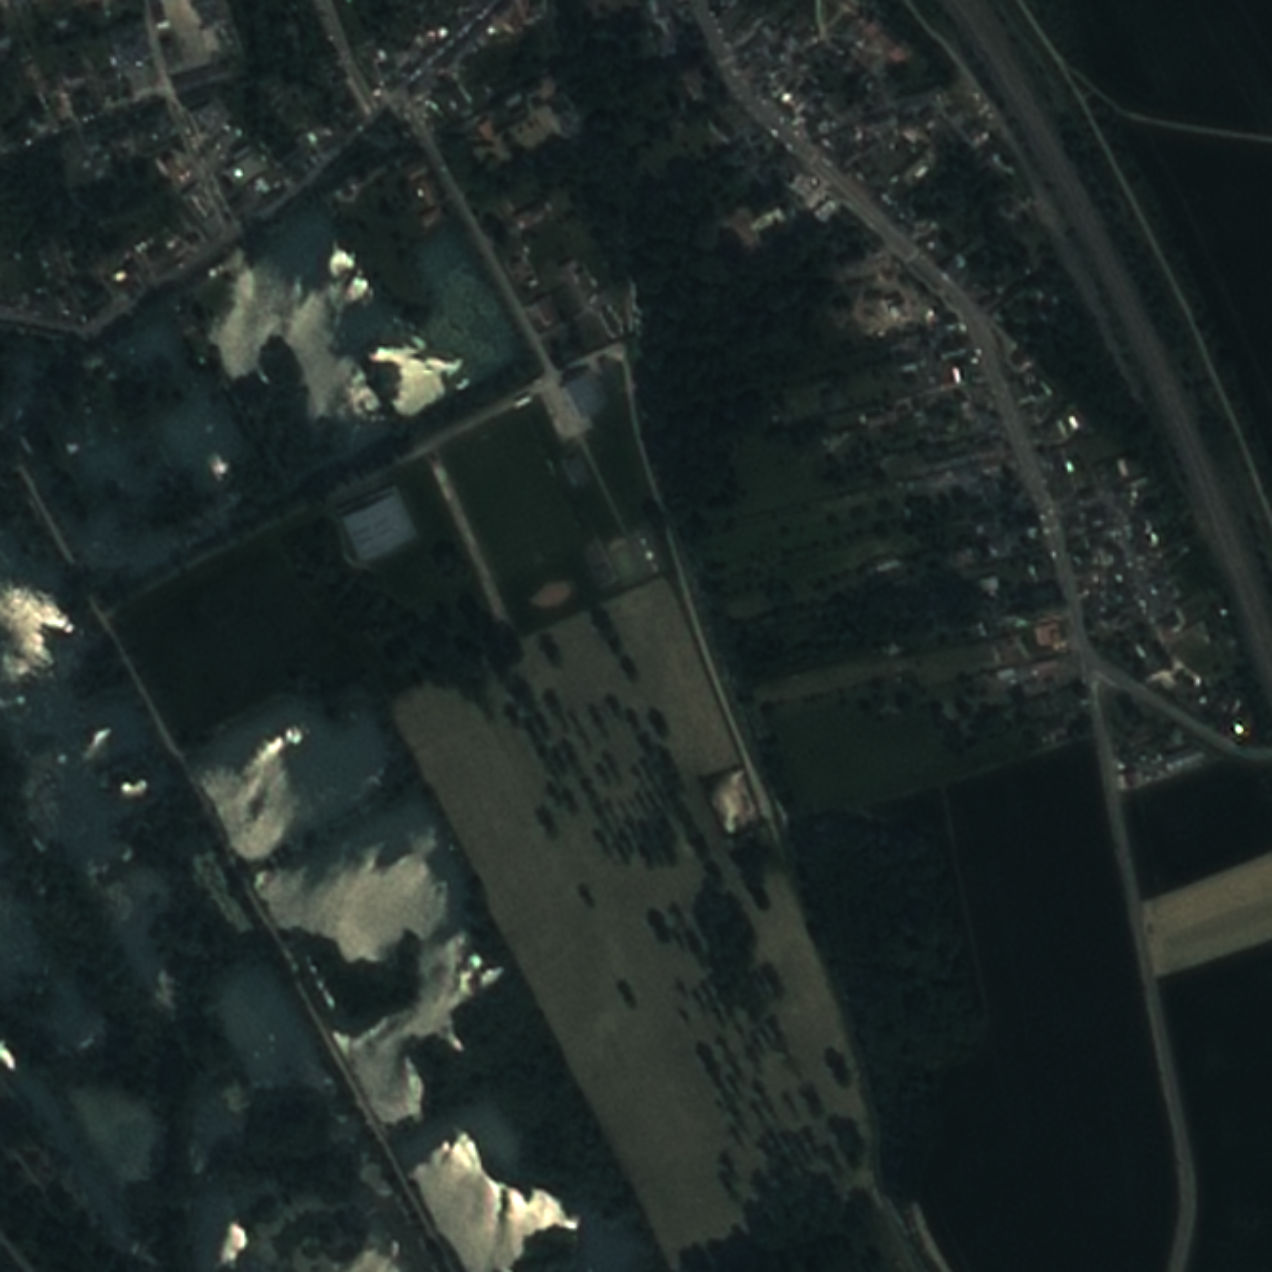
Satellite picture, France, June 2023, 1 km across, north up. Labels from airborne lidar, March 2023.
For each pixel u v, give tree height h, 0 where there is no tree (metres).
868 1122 0
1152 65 0
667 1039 0
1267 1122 0
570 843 0
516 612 0
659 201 27
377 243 0
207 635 0
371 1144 12
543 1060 7
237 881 21
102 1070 7
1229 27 0
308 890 0
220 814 0
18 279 0
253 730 0
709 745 0
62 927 6
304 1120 23
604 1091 0
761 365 18
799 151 0
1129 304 0
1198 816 0
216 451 0
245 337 0
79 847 0
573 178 10
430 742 0
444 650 28
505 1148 0
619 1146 0
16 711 0
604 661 0
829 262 9
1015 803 0
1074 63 6
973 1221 0
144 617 0
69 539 6
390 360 0
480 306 0
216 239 0
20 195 13
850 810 0
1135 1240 0
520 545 0
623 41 10
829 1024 0
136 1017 6
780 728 0
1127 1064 0
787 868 0
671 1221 0
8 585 0
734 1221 0
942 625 11
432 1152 0
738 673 11
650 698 0
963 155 9
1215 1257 0
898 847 22
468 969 0
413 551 0
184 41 0
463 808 0
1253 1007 0
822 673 0
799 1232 34
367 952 0
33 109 14
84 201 22
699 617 0
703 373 15
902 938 29
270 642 0
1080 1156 0
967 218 6
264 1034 0
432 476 0
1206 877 0
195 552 6
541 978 0
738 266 25
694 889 0
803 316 20
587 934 0
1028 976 0
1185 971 0
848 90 6
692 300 23
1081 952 0
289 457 15
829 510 0
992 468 0
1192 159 0
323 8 0
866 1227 20
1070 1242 0
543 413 0
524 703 20
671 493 17
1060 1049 0
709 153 7
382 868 0
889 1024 36
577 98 16
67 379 26
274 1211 9
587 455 0
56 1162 14
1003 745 0
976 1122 0
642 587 0
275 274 0
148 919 0
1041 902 0
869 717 9
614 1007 0
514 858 0
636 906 0
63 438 0
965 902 0
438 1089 7
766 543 0
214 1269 0
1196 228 0
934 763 0
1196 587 0
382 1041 0
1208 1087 0
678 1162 0
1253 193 0
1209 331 13
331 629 0
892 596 18
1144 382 8
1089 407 18
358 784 0
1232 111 0
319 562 11
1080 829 0
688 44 17
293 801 0
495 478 0
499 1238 0
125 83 7
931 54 7
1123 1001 0
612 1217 14
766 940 0
